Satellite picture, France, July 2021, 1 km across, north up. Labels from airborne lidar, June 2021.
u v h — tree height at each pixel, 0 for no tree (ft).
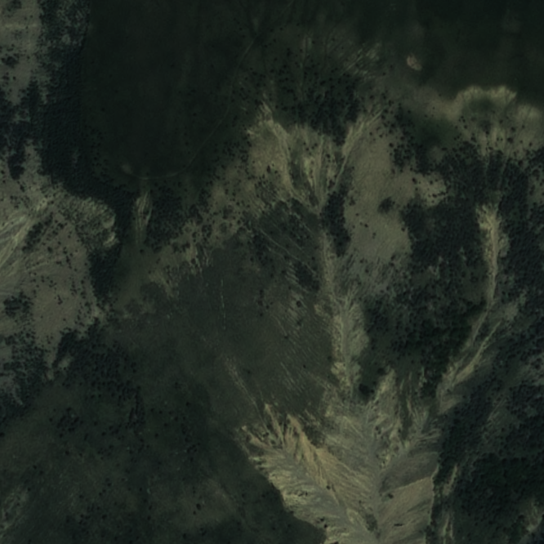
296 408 0
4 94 19
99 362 40
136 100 0
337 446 0
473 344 0
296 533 0
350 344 0
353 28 0
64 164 35
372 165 0
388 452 0
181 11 0
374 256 0
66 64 20
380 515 0
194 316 0
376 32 0
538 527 0
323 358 0
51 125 24
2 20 0
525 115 0
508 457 32
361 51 0
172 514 0
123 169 0
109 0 0
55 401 0
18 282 0
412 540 0
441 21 0
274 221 0
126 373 0
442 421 0
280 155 0
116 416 0
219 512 0
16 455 0
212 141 0
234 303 0
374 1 0
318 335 0
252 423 0
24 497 0
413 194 0
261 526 0
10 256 0
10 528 0
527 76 0
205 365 0
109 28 0
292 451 0
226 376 0
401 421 0
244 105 0
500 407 0
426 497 0
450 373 0
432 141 0
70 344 27
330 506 0
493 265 0
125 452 0
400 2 0
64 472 0
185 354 0
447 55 0
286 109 21
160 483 0
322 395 0
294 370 0
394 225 0
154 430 0
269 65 0
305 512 0
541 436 44
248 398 0
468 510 26
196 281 0
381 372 34
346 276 0
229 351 0
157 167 0
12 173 27
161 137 0
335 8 0
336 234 21
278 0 0
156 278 0
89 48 0
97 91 0
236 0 0
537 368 26
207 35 0
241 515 0
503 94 0
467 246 29
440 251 37
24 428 0
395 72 0
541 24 0
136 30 0
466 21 0
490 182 20
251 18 0
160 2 0
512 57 0
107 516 31
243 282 0
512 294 26
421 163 20
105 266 20
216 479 0
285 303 0
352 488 0
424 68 0
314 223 0
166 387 0
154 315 0
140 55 0
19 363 22
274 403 0
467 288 0
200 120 0
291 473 0
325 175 0
